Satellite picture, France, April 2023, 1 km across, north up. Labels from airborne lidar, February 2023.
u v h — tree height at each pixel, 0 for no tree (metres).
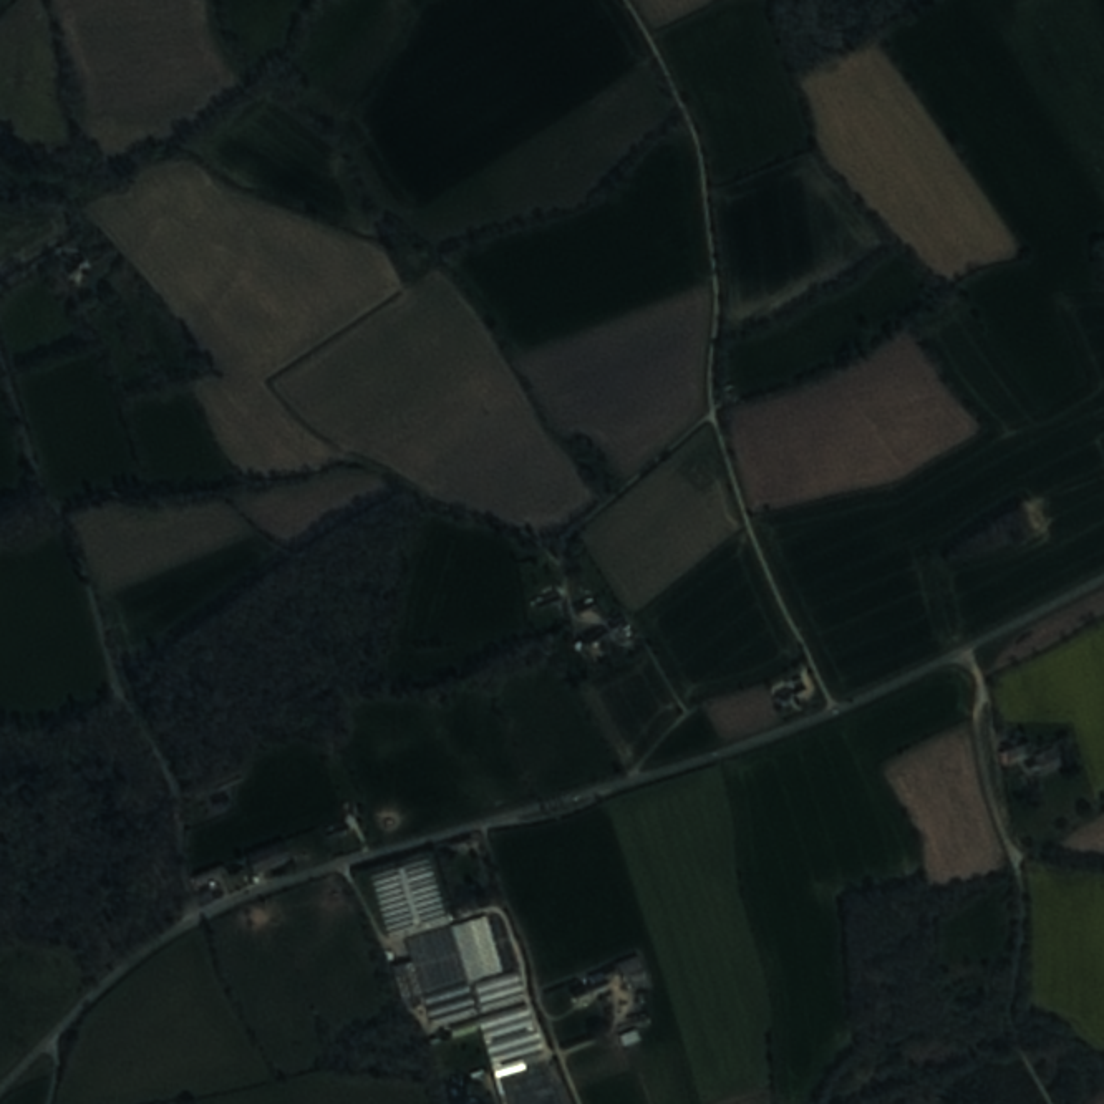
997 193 0
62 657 0
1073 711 0
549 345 0
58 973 0
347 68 0
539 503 0
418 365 0
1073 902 0
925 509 0
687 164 0
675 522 0
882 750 0
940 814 0
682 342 0
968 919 0
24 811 15
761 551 0
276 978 0
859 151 0
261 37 0
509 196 0
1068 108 0
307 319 0
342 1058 14
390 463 0
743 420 0
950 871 0
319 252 0
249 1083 0
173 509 15
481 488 0
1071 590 0
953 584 0
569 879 0
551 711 0
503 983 0
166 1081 0
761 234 0
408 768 0
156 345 0
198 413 13
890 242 10
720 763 0
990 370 0
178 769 21
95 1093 0
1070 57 0
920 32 0
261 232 0
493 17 0
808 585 0
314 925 0
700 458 0
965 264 0
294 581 17
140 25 0
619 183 14
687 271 0
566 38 0
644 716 0
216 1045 0
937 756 0
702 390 0
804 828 0
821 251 0
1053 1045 20
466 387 0
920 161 0
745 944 0
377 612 17
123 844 17
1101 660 0
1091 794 0
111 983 0
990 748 0
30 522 26
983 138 0
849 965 13
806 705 8
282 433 0
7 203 19
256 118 0
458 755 0
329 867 0
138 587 0
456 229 0
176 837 20
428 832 0
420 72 0
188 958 0
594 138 0
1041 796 14
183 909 10
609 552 0
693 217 0
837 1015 0
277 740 22
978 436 0
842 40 12
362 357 0
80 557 8
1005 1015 11
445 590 0
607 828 0
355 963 0
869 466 0
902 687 0
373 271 0
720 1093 0
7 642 0
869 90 0
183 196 0
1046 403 0
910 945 17
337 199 0
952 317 0
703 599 0
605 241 0
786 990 0
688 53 0
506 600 0
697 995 0
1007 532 14
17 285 13
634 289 0
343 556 19
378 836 0
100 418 0
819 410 0
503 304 0
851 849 0
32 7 0
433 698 8
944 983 7
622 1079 0
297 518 0
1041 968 0
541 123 0
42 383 0
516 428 0
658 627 0
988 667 0
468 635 0
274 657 20
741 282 0
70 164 14
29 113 0
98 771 18
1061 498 0
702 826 0
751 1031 0
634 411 0
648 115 0
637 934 0
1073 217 0
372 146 0
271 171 0
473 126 0
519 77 0
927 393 0
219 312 0
